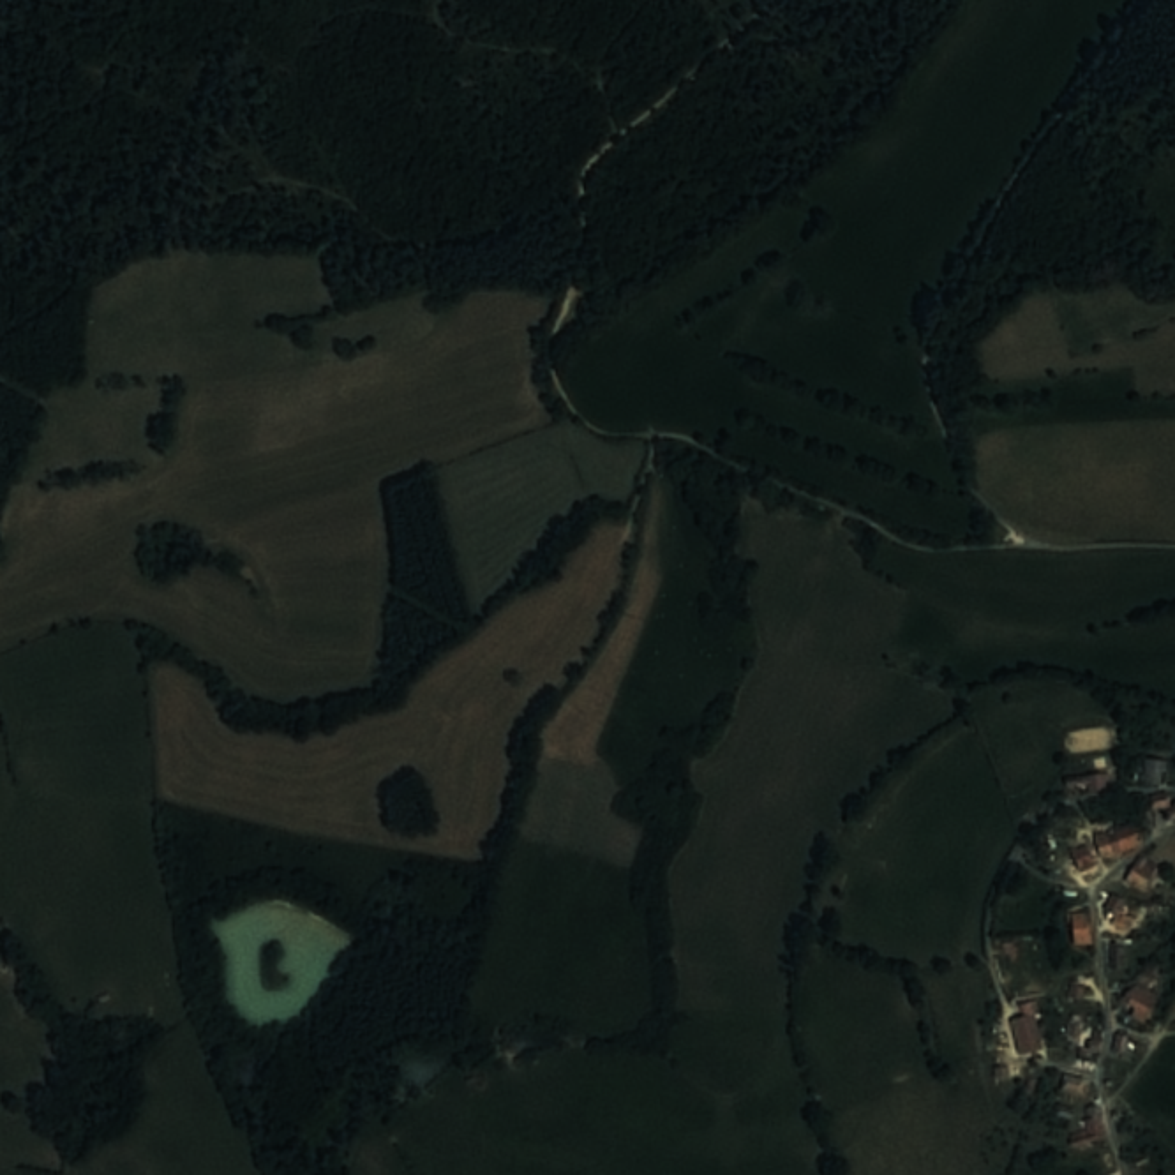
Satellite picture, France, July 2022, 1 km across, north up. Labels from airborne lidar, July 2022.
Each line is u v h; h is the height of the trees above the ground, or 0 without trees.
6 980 0
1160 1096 0
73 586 0
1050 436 0
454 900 0
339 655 0
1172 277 24
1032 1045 0
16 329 8
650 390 0
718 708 8
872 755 0
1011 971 0
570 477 0
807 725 0
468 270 26
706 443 10
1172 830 0
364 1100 30
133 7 12
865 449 0
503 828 14
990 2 0
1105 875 0
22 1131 0
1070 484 0
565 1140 0
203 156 18
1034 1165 14
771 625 0
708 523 12
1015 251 10
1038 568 0
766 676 0
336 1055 18
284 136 10
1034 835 16
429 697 0
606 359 0
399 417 0
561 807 0
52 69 10
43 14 11
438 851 0
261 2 7
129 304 0
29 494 0
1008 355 0
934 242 0
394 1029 18
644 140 7
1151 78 22
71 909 0
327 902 10
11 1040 0
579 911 0
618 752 0
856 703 0
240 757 0
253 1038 8
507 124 14
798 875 0
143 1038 12
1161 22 21
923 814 0
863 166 0
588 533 15
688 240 13
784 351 0
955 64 0
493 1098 0
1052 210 7
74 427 0
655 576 0
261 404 0
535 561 19
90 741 0
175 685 0
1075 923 0
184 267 0
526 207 13
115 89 10
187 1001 7
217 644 0
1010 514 0
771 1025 0
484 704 0
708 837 0
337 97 11
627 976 0
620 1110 0
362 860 0
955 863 0
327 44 7
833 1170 22
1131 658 0
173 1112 0
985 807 0
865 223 0
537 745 21
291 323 13
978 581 0
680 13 6
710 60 12
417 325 0
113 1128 9
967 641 0
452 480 0
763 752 0
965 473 20
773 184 18
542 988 0
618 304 25
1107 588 0
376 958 14
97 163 9
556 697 20
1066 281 17
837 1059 0
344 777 0
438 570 17
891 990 0
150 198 26
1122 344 0
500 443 0
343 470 0
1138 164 16
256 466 0
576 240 16
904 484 8
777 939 0
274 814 0
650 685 0
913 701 0
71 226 25
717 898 0
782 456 0
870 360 0
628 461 0
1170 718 7
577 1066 0
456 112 13
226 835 0
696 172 7
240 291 0
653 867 5
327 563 0
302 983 0
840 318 0
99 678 0
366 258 23
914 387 0
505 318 0
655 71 8
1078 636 0
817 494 11
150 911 0
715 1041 0
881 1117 0
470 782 0
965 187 0
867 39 21
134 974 0
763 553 0
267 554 0
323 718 23
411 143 10
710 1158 0
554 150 8
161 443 23
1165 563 0
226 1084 11
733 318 0
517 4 9
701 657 0
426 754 0
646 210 6
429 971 17
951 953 0
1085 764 0
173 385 15
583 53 16
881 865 0
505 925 0
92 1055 7
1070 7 0
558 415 12
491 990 0
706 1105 0
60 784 0
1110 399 0
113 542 0
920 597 0
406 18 7
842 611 0
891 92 20
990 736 0
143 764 0
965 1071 0
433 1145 0
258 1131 27
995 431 0
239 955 0
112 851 0
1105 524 0
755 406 0
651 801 6
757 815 0
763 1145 0
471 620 12
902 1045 0
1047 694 0
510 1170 0
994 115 0
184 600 0
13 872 0
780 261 18
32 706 0
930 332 25
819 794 0
